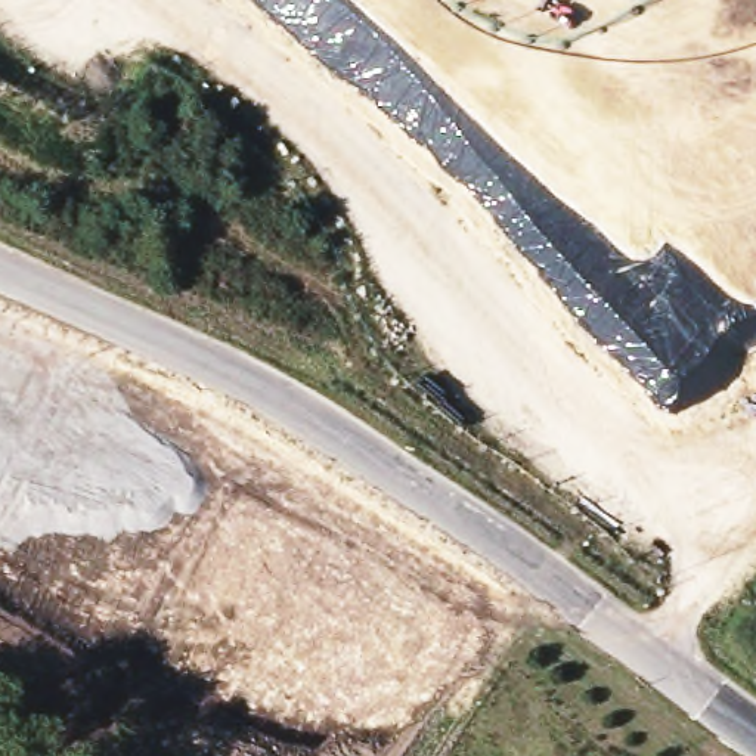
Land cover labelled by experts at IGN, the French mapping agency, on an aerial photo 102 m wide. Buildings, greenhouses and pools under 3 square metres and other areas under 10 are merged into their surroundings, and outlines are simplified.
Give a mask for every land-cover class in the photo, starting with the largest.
<instances>
[{"label":"pervious surface","instance_id":"1","mask_svg":"<svg viewBox=\"0 0 756 756\"><path fill-rule=\"evenodd\" d=\"M159 47L180 50L192 56L198 65H204L216 80H221L216 89H204L198 95V103L219 121V127L233 142H239V157L233 165V180L239 192L257 198L266 195L278 180H284L286 198L298 201L325 189L346 201V213L337 216V227L354 224V233L346 239V248L351 254L357 295L375 313L381 334L393 346L405 343L416 331L425 357L434 363L419 384H410V390H405L410 399L422 402V396L428 393L431 402L452 410L458 422L467 428L484 419L487 431L502 446L532 458L529 467H517L511 458H502L499 467L526 478L535 490L549 493V499L558 502L570 517H576L579 505L585 502L611 526H623V537L638 549H644L653 540H667L673 588L670 597L647 614L650 629L659 638L670 641L676 650L697 635L703 614L715 602L741 594L744 582L756 576V0H0V83L18 86L35 95L38 100H47L50 109L59 115H71L74 121L86 118L97 133L106 124L121 121L124 109H130V83L142 77V59ZM511 591H517L514 582H505L496 573L484 570L475 558L464 555L437 532L410 520L408 514H399L381 496H372L357 484L343 481L337 470H325V464L310 458L304 446H289L281 434H269L263 422L251 419V413L227 408L221 396L210 390L201 393L183 381L168 378L165 369H159L157 363L118 357V351H112V340L0 292V679L18 676L24 688L18 703H3V715L62 718V738L71 744L83 741L95 726H133V735H124V750L118 756H449L458 735L464 732L461 715L473 709V700L478 697L481 685L490 682L508 644L520 638L537 617L511 614Z\"/></svg>","mask_w":756,"mask_h":756},{"label":"herbaceous vegetation","instance_id":"2","mask_svg":"<svg viewBox=\"0 0 756 756\"><path fill-rule=\"evenodd\" d=\"M56 133H62L71 142H95L97 133L86 118L74 121L71 115H59L50 109L47 100H38L35 95L18 86L0 83V165L9 171H32L44 174L47 180H59L65 177L62 168L38 162L32 157ZM148 180H154V171L142 165L136 177H100L92 183V189L121 195L130 189H145ZM298 213L307 221V230L313 233L307 263L269 248L242 221H230L213 245V251H207L198 284L186 292H157L151 284H145L139 275L121 266L71 254L65 242L0 221V242L30 257H38L59 272L89 281L92 286H100L139 307H148L201 334H210L239 351H248L251 357L334 399L337 405H343L346 410H351L399 446H410L422 464L443 473L446 478H452L455 484H461L464 490H470L473 496H478L481 502H487L490 508L532 532L540 543L564 552L614 599H620L632 611L647 614L670 597L673 588L667 540H653L644 549H638L623 537V526H611L585 502L579 505L576 517H570L558 502L549 499V493L535 490L526 478L499 467L502 458H511L517 467H529L532 458L502 446L487 431L484 419L467 428L458 422L452 410L431 402L428 393L422 396V402L410 399L405 390H410V384H419L434 363L425 357L416 331L405 343L393 346L381 334L375 313L357 295L351 254L346 248V239L354 233V224L337 227V216L346 213V201L325 189L298 201ZM706 662L729 679H735L738 685H744L750 694H756V576L744 582L741 594L715 602L703 614L697 635ZM464 732L458 735L449 756H732L718 741V735H712L700 721H694L662 691H656L644 676L632 673L626 664L585 641L576 626H549L537 617L520 638L508 644L490 682L481 685L478 697L473 700V709L461 715Z\"/></svg>","mask_w":756,"mask_h":756},{"label":"impervious surface","instance_id":"3","mask_svg":"<svg viewBox=\"0 0 756 756\"><path fill-rule=\"evenodd\" d=\"M0 292L112 340V351H118V357L157 363L159 369H165L168 378L183 381L201 393L210 390L221 396L227 408L251 413V419L263 422L269 434H281L289 446H304L310 458L325 464V470H337L343 481L357 484L372 496H381L399 514H408L410 520L437 532L464 555L475 558L484 570L496 573L505 582H514L517 591H511V614L537 617L549 626H576L585 641L626 664L632 673L644 676L656 691H662L694 721H700L712 735H718V741L732 756H756V694H750L744 685H738L735 679H729L706 662L697 635L676 650L670 641L659 638L650 629L647 614L632 611L620 599H614L564 552L540 543L532 532L490 508L487 502H481L478 496H473L470 490H464L461 484H455L452 478H446L443 473L422 464L410 446H399L351 410H346L343 405H337L334 399L251 357L248 351H239L210 334H201L148 307H139L100 286H92L89 281L59 272L38 257H30L0 242Z\"/></svg>","mask_w":756,"mask_h":756},{"label":"brushwood","instance_id":"4","mask_svg":"<svg viewBox=\"0 0 756 756\"><path fill-rule=\"evenodd\" d=\"M221 80H216L204 65H198L192 56L180 50L159 47L142 59V77L130 83V109H124L121 121L106 124L97 133L95 142H71L62 133H56L32 157L38 162L62 168L65 177L59 180H47L44 174L32 171H9L0 165V221L65 242L71 254L121 266L139 275L145 284H151L157 292H186L198 284L207 251H213V245L230 221H242L269 248L307 263L313 233L307 230V221L298 213V201L286 198L284 180H278L266 195L257 198L239 192L233 180V165L239 157V142H233L219 127V121L198 103V95L204 89H216ZM142 165L154 171V180H148L145 189H130L121 195L92 189V183L100 177H136Z\"/></svg>","mask_w":756,"mask_h":756},{"label":"coniferous trees","instance_id":"5","mask_svg":"<svg viewBox=\"0 0 756 756\"><path fill-rule=\"evenodd\" d=\"M24 688L18 676L0 679V756H118L124 750V735H133V726H95L83 741L71 744L62 738V718L3 715V703H18Z\"/></svg>","mask_w":756,"mask_h":756}]
</instances>
